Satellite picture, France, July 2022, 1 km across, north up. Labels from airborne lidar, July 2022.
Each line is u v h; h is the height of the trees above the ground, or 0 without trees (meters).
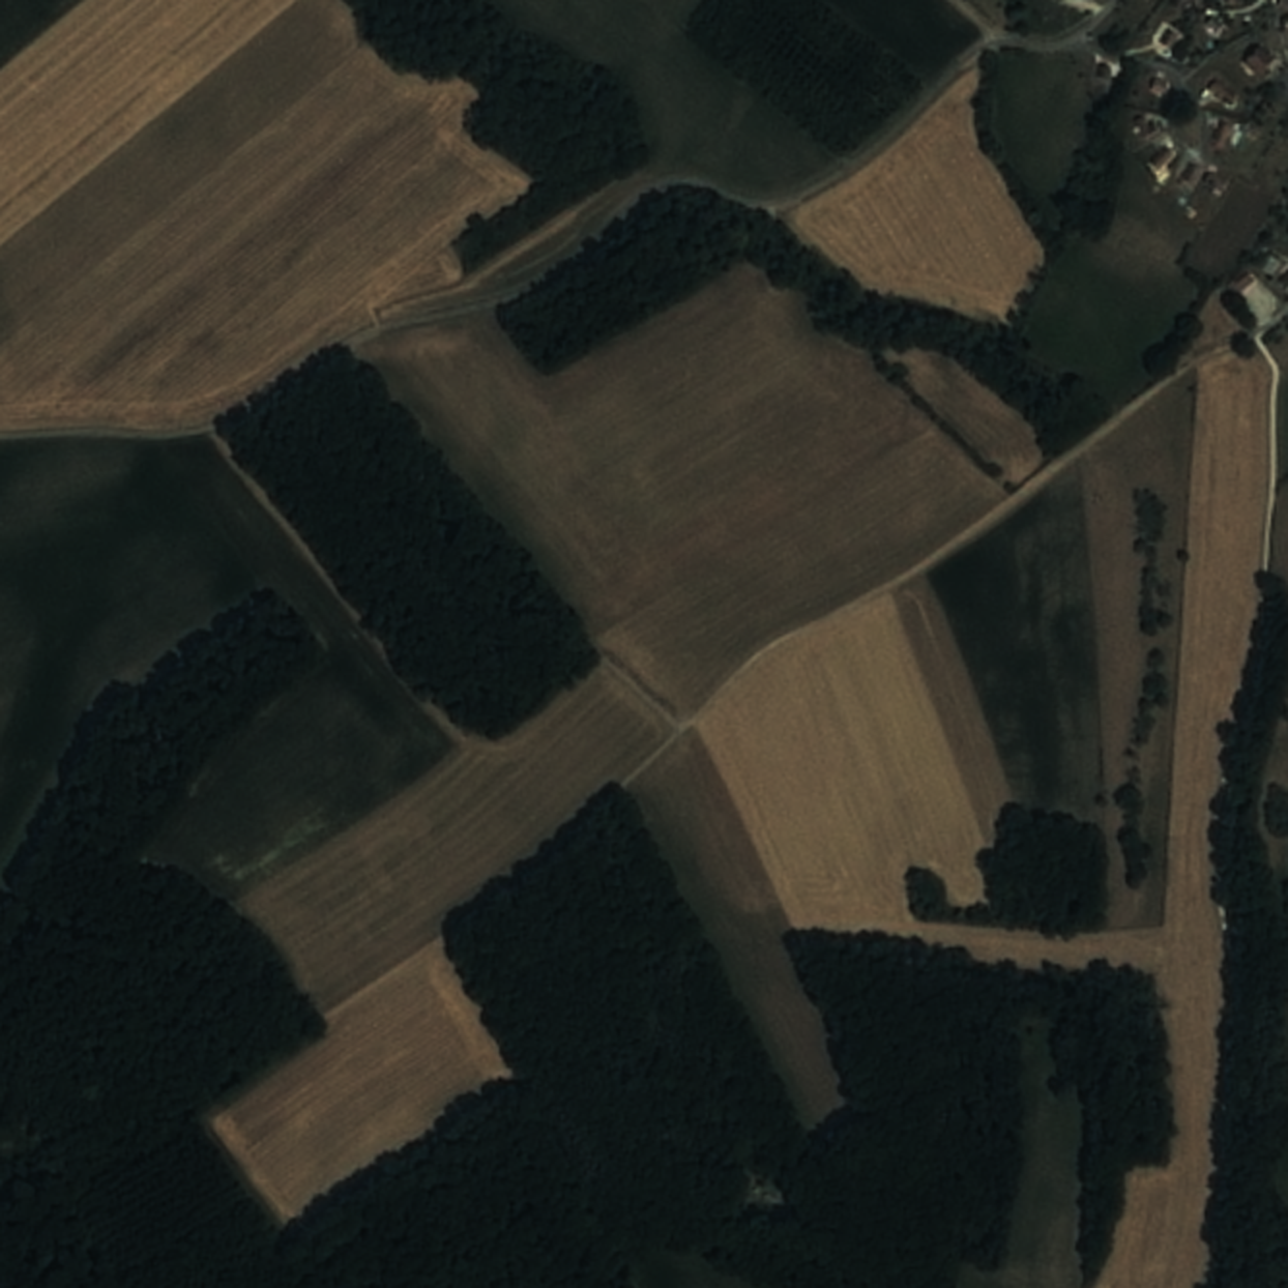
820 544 0
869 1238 34
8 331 0
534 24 0
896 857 0
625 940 24
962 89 0
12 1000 24
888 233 0
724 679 0
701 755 0
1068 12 0
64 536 0
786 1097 28
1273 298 0
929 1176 34
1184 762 0
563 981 31
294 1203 0
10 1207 31
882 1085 34
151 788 19
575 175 13
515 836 0
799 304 0
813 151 0
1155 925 0
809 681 0
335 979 0
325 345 0
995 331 13
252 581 0
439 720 0
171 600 0
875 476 0
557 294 10
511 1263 26
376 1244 27
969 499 0
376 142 0
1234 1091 24
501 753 0
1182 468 0
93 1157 20
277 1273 17
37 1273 24
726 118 0
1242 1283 25
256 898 0
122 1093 23
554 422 0
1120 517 0
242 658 31
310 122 0
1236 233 0
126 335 0
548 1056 28
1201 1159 0
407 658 25
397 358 0
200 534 0
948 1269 30
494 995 26
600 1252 29
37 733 0
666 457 0
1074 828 19
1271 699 26
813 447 0
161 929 26
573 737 0
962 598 0
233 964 26
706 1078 24
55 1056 17
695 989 33
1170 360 18
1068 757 0
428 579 29
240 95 0
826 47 10
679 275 23
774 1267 29
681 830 0
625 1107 28
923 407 6
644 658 0
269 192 0
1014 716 0
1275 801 6
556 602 21
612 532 0
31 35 0
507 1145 26
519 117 16
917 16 0
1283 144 0
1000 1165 26
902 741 0
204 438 0
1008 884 19
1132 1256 0
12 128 0
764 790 0
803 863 0
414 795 0
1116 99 11
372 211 0
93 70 0
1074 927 22
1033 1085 0
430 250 0
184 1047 24
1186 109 25
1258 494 0
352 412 29
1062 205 20
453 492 26
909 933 0
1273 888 16
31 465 0
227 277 0
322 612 0
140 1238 18
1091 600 0
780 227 10
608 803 20
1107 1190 24
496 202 0
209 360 0
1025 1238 0
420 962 0
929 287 0
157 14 0
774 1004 0
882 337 14
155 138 0
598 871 28
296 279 0
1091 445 0
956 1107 29
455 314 0
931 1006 36
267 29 0
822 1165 36
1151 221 0
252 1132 0
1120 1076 28
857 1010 31
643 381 0
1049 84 0
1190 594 0
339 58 0
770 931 0
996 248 0
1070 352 0
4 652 0
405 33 21
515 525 0
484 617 32
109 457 0
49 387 0
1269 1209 14
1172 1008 0
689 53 0
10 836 0
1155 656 12
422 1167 26
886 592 0
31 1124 7
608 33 0
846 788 0
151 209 0
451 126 0
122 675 0
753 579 0
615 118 20
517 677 28
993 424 0
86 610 0
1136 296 0
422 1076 0
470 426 0
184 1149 19
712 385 0
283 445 32
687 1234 29
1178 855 0
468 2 20
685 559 0
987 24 0
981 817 0
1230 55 0
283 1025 23
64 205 0
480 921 28
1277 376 0
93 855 25
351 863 0
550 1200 27
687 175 0
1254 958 26
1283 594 12
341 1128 0
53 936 27
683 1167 30
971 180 0
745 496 0
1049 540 0
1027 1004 24
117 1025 20
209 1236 15
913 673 0
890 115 10
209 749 22
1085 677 0
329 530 26
